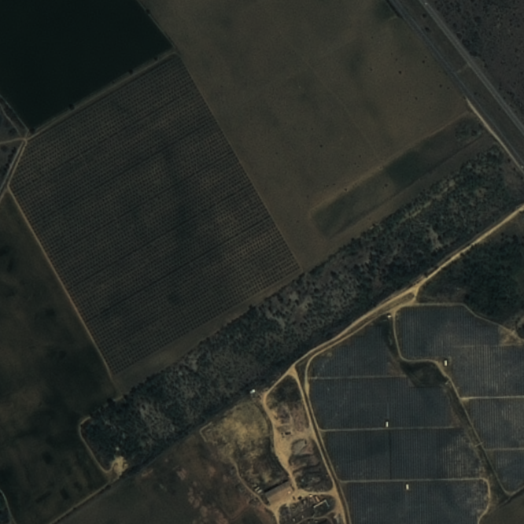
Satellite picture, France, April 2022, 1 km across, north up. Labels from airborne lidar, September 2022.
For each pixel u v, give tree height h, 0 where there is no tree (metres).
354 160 0
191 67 0
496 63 0
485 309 10
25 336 0
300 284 12
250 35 0
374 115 0
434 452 0
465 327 0
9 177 0
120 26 0
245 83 0
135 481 0
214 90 0
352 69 0
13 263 0
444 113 0
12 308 0
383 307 0
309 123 0
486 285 11
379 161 0
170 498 0
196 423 9
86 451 0
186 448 0
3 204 0
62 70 0
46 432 0
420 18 0
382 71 0
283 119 0
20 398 0
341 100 0
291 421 0
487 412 0
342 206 0
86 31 0
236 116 0
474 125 0
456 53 0
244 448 0
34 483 0
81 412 0
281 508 0
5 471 0
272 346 9
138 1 0
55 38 0
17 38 0
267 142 0
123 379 0
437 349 0
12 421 0
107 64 0
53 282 0
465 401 0
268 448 0
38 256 0
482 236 0
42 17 0
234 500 0
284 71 0
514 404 0
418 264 7
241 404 0
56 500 0
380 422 0
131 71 6
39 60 0
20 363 0
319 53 0
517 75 0
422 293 0
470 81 0
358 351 0
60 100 0
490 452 0
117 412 13
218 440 0
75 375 0
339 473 0
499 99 0
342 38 0
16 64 0
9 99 0
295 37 0
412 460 0
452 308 0
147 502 0
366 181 0
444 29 0
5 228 0
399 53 0
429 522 0
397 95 0
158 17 0
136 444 8
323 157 0
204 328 0
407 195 0
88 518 0
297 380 0
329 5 0
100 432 15
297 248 0
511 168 0
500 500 0
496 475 0
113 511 0
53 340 0
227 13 0
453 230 7
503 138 0
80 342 0
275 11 0
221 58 0
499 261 10
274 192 0
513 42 0
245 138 0
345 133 0
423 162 0
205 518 0
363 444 0
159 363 0
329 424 0
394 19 0
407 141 0
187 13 0
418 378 0
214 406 7
